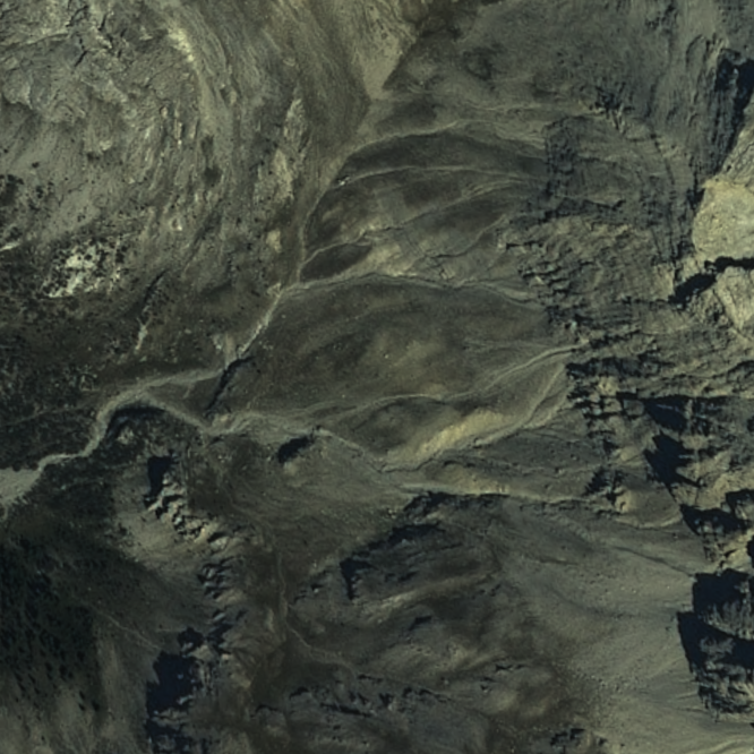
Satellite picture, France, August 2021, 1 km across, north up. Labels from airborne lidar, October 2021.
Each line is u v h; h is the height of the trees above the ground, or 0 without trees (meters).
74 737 0
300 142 0
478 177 0
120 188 0
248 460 0
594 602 0
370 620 0
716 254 0
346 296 0
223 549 0
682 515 0
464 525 0
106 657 0
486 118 0
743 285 0
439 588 0
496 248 0
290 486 0
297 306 0
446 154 0
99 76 0
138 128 0
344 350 0
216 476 0
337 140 0
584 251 0
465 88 0
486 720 0
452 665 0
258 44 0
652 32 0
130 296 0
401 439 0
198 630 0
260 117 0
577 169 0
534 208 0
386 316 0
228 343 0
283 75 0
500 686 0
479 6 0
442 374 0
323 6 0
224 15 0
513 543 0
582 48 0
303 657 0
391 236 0
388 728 0
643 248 0
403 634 0
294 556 0
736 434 0
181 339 0
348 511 0
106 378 0
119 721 0
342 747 0
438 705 0
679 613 0
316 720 0
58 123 0
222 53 0
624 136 0
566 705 0
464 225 0
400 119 0
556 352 0
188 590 0
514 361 0
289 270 0
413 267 0
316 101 0
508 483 0
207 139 0
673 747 0
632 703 0
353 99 0
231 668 0
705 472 0
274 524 0
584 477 0
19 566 6
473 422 0
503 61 0
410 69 0
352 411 0
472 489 0
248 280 0
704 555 0
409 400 0
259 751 0
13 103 0
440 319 0
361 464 0
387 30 0
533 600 0
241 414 0
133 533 0
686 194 0
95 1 0
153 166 0
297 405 0
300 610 0
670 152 0
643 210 0
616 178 0
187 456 0
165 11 0
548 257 0
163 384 0
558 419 0
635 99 0
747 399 0
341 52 0
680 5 0
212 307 0
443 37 0
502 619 0
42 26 0
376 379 0
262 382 0
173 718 0
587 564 0
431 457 0
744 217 0
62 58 0
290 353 0
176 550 0
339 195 0
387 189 0
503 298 0
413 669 0
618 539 0
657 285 0
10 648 17
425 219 0
